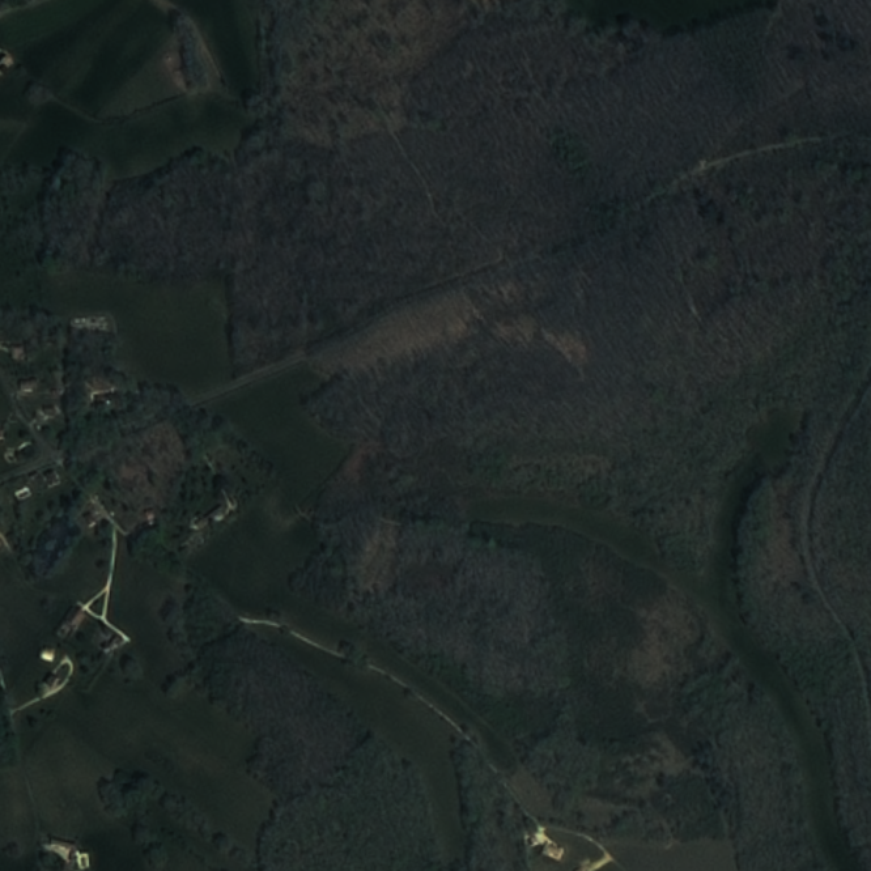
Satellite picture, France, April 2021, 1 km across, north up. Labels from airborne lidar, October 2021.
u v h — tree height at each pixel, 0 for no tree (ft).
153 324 0
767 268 40
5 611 0
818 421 54
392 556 0
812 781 0
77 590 0
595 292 68
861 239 86
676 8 0
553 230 38
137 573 0
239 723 35
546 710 20
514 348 64
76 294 0
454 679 23
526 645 52
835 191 55
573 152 66
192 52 53
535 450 51
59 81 0
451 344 78
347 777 57
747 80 76
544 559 30
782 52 58
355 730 32
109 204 41
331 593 40
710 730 28
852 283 72
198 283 35
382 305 32
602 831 26
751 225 53
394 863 60
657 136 63
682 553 39
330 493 47
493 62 37
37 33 0
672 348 86
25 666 0
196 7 0
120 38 0
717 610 0
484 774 48
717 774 39
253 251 31
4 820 0
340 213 56
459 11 68
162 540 45
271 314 30
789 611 43
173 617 71
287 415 0
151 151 0
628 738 18
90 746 0
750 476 0
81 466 70
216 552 0
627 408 70
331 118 22
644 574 18
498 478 46
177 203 41
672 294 71
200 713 0
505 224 33
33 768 0
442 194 31
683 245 70
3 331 18
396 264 37
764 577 29
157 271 31
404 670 0
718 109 73
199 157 45
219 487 41
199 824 65
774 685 0
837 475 48
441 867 50
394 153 41
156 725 0
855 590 45
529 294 59
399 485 60
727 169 33
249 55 0
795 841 24
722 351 76
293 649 0
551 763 40
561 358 70
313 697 42
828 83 65
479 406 72
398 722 0
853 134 72
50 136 0
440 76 40
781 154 40
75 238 73
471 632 51
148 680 0
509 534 26
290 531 0
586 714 19
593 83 64
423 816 73
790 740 55
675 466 35
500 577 51
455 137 38
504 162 45
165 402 71
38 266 33
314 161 32
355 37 75
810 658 51
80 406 70
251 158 40
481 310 64
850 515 56
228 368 0
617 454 48
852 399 49
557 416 65
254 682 41
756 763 29
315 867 46
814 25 34
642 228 66
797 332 76
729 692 57
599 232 30
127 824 0
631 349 73
